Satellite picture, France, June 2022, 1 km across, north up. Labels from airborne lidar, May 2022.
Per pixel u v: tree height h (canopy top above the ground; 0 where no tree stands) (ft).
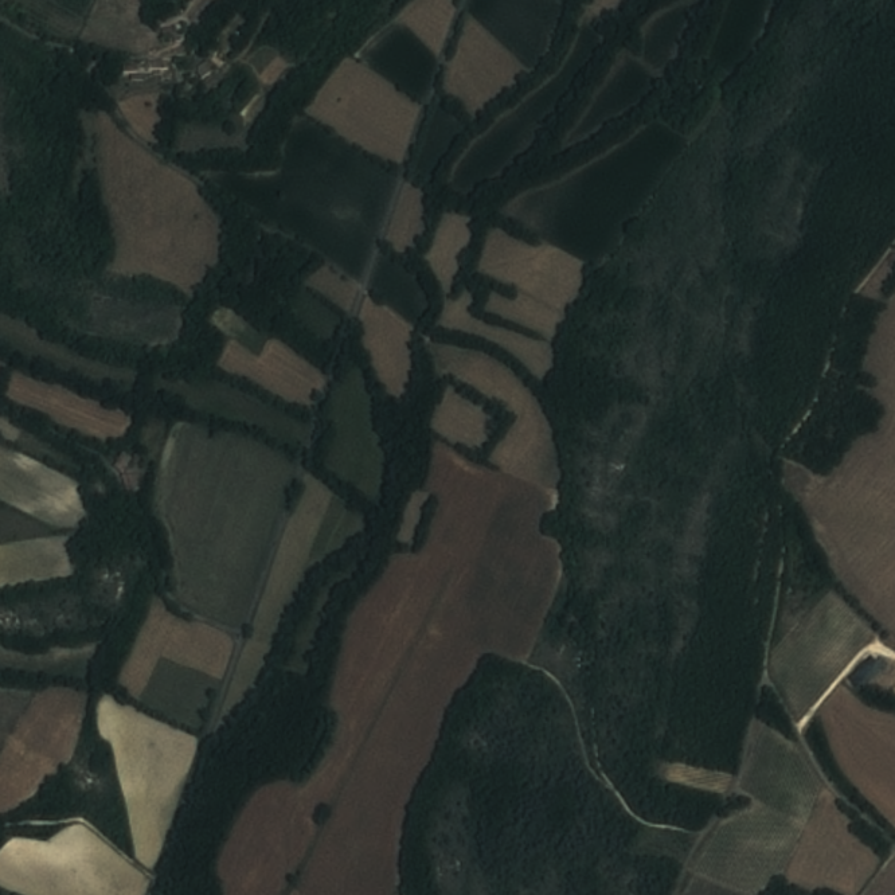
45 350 0
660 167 0
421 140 30
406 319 0
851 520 0
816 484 0
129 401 90
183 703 0
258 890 0
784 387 30
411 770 0
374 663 0
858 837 29
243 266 58
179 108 62
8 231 35
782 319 45
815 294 37
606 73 43
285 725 66
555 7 0
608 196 0
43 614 20
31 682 53
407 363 0
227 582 0
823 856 0
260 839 0
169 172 0
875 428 51
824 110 31
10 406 39
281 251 40
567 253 0
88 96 61
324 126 31
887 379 0
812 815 0
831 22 20
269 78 0
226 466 0
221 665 0
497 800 32
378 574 44
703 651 25
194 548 0
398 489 90
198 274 0
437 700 0
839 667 0
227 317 0
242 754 94
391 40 0
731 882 0
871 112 54
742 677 37
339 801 0
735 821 0
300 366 0
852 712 0
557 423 60
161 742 0
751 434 23
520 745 22
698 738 29
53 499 0
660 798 46
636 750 21
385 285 0
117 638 66
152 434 0
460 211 63
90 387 98
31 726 0
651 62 0
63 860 0
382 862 0
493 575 0
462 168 0
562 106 38
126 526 65
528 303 0
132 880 0
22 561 0
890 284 35
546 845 28
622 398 24
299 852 0
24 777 0
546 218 0
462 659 0
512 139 0
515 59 0
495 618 0
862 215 29
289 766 52
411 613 0
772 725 50
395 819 0
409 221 0
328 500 0
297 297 26
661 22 0
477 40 0
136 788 0
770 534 29
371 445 0
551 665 0
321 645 66
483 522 0
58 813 50
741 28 0
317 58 28
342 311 36
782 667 0
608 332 20
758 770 0
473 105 0
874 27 50
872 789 0
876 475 0
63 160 64
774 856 0
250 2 42
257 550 0
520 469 0
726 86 42
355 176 0
